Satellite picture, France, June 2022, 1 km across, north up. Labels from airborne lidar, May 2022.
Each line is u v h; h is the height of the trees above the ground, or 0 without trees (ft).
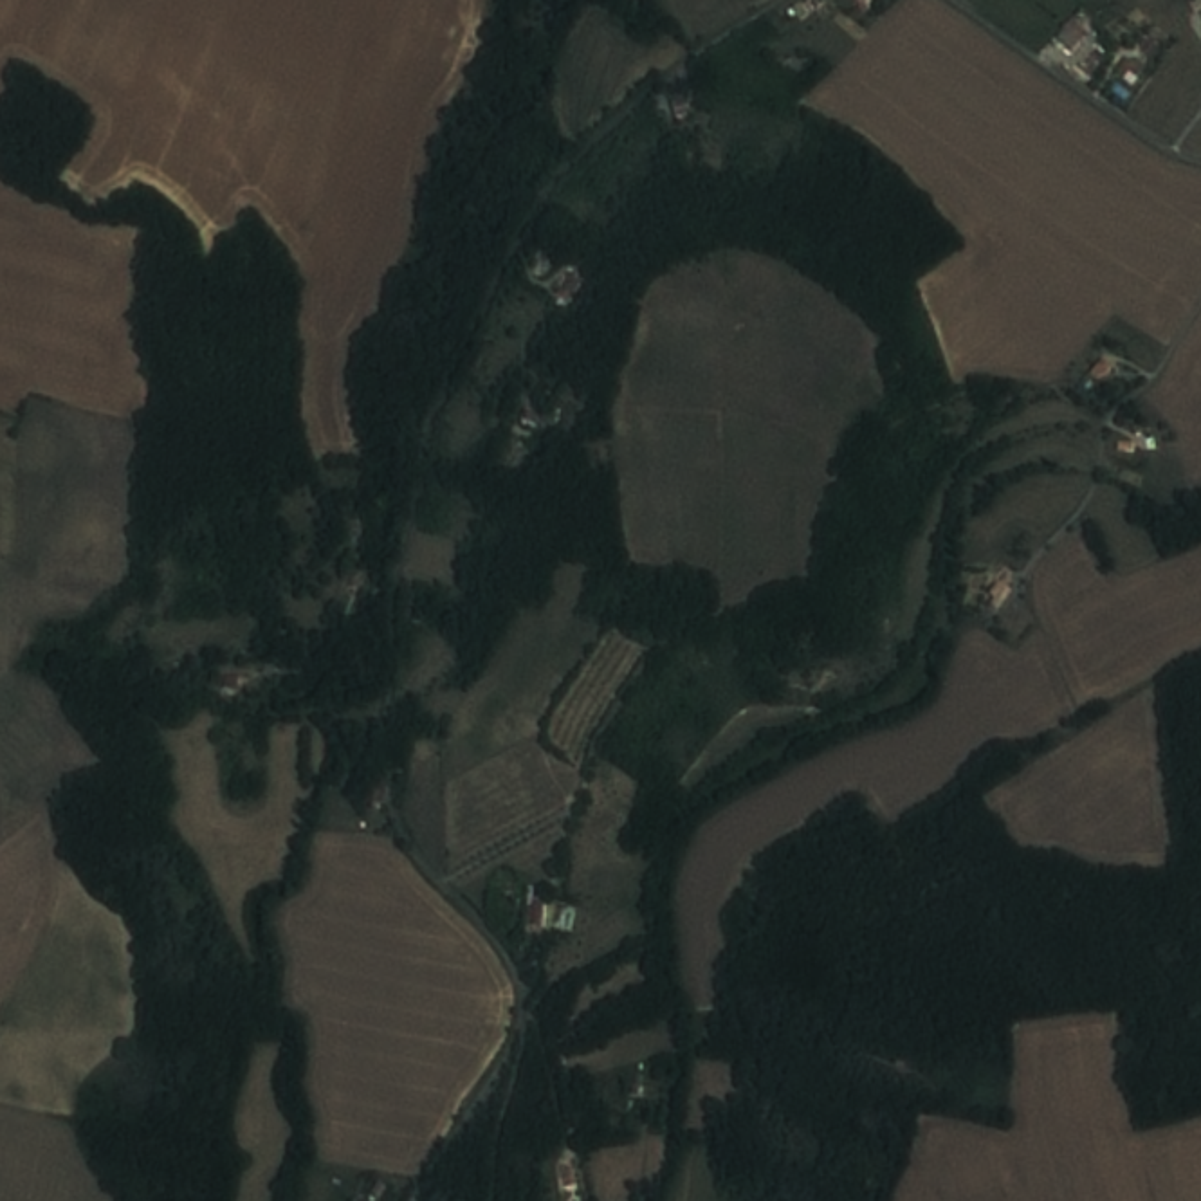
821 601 46
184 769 0
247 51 0
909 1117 33
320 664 58
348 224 0
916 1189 0
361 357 54
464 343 52
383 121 0
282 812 0
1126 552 0
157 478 54
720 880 0
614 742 33
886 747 0
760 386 0
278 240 47
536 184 58
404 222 0
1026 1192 0
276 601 43
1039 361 0
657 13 32
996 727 0
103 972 0
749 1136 55
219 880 0
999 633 38
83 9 0
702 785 40
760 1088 49
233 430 63
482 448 28
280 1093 56
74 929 0
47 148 49
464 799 0
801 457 0
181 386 38
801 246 42
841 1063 50
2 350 0
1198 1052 60
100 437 0
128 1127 51
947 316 0
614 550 34
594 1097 47
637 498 0
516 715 0
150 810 58
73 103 52
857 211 52
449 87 0
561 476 52
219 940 67
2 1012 0
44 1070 0
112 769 42
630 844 54
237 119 0
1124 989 42
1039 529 0
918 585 0
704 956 0
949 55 0
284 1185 58
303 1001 0
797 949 22
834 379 0
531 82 78
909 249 49
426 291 83
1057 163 0
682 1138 33
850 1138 48
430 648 0
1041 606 0
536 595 59
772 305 0
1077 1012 41
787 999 46
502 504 54
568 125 0
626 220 37
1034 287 0
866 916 41
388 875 0
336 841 0
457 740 0
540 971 22
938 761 0
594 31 0
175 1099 62
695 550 0
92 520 0
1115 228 0
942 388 27
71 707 43
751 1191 18
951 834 50
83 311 0
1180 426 0
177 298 50
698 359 0
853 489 34
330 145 0
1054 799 0
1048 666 0
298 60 0
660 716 21
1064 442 0
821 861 33
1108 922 39
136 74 0
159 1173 36
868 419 34
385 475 65
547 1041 36
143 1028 42
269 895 86
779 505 0
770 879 53
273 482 45
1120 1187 0
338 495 48
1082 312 0
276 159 0
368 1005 0
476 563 52
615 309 35
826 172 41
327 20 0
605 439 23
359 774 57
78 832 61
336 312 0
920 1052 44
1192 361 0
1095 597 0
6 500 0
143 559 47
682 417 0
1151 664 0
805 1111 73
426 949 0
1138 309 0
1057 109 0
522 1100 30
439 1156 38
